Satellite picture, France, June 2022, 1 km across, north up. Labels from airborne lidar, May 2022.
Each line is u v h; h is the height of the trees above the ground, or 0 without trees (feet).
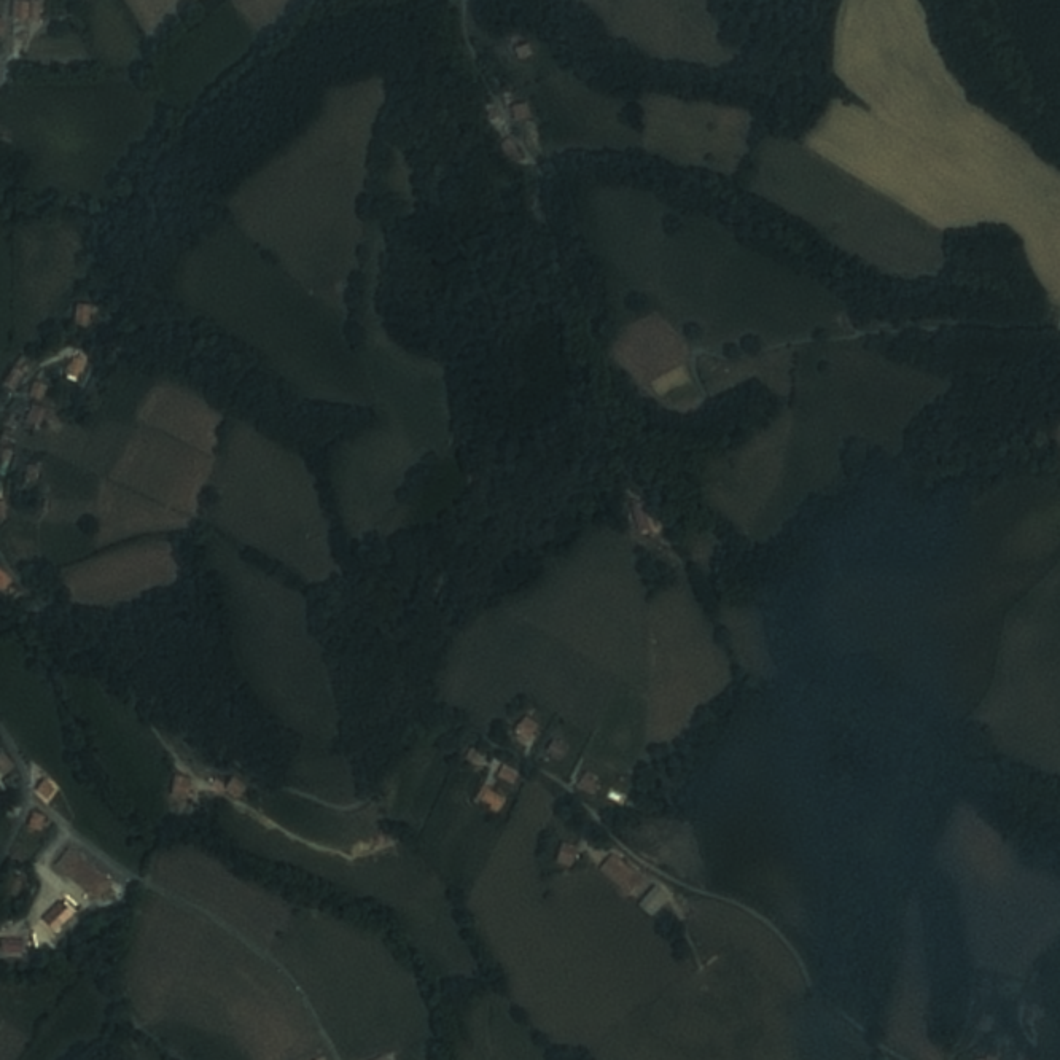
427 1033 0
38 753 0
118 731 0
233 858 97
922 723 72
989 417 74
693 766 99
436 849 0
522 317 55
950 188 0
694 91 67
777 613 95
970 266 82
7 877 71
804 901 0
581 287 75
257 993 0
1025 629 0
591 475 74
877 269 37
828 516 72
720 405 38
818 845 0
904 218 0
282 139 56
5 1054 0
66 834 0
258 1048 0
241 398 62
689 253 0
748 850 0
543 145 20
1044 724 0
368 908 59
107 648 83
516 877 0
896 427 0
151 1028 0
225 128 83
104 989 68
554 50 38
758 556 71
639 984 0
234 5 0
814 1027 0
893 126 0
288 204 0
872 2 0
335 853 0
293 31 88
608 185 57
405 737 77
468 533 61
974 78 70
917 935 0
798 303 0
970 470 85
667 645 0
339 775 0
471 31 0
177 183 95
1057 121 59
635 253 0
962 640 0
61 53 0
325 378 0
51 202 77
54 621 68
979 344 59
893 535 102
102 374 36
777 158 0
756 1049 0
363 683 56
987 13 88
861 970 42
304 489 0
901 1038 0
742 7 24
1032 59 71
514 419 40
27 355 30
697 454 93
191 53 0
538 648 0
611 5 0
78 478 0
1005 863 0
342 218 0
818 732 85
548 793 0
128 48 0
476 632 0
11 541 0
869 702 65
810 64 79
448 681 0
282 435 40
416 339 62
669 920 57
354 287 30
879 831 0
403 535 45
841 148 0
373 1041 0
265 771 75
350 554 53
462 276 37
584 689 0
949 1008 87
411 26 85
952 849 0
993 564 0
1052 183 0
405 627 62
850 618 0
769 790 0
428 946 0
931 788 83
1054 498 0
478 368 91
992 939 0
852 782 68
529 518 67
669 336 0
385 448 0
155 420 0
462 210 77
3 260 0
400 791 0
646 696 0
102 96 0
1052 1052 0
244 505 0
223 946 0
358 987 0
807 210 0
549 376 35
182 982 0
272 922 0
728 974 0
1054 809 77
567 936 0
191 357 41
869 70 0
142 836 58
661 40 0
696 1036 0
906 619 0
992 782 89
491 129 27
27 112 0
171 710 82
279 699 0
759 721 0
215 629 81
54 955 85
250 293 0
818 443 0
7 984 59
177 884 0
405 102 73
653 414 73
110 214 68
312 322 0
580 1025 0
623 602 0
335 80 62
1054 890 0
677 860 0
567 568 0
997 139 0
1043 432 64
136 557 0
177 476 0
